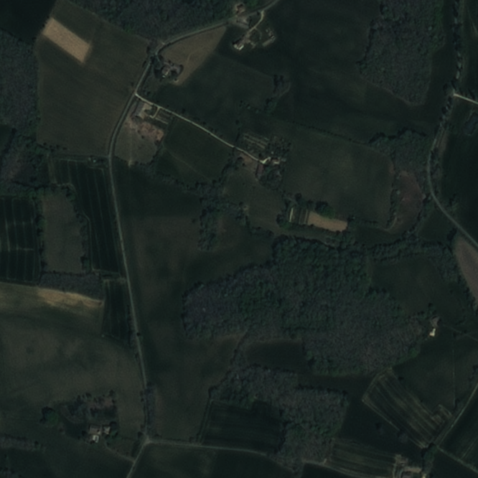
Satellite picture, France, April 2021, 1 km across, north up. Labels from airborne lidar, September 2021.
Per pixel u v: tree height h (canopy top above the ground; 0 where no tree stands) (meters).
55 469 0
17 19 0
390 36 22
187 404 0
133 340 18
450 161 0
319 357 22
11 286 0
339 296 25
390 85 19
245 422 0
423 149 22
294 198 9
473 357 0
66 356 0
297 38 0
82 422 0
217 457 0
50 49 0
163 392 0
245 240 0
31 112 19
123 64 0
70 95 0
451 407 0
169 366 0
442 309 0
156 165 8
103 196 0
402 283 0
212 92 0
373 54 21
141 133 8
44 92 0
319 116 0
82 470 0
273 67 0
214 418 0
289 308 21
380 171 0
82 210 0
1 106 21
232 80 0
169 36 15
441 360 0
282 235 0
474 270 0
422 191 7
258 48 0
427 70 24
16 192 17
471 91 0
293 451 16
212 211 19
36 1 0
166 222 0
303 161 0
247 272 19
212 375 0
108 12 13
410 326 16
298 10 0
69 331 0
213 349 0
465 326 0
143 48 0
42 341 0
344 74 0
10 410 0
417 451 0
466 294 7
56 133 0
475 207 0
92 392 0
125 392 0
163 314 0
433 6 17
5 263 0
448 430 0
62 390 0
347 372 20
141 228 0
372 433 0
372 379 0
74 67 0
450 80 0
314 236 0
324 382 0
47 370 0
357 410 0
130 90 0
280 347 0
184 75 0
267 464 0
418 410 0
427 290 0
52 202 0
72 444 0
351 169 0
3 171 18
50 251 0
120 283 0
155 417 13
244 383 19
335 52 0
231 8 20
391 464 0
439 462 0
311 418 19
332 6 0
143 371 0
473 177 0
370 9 0
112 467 0
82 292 14
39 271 0
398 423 0
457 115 0
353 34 0
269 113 6
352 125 0
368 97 0
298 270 23
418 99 19
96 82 0
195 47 0
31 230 0
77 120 0
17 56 20
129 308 7
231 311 16
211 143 0
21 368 0
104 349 0
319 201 0
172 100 0
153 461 0
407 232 9
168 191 0
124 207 0
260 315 21
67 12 0
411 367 0
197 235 0
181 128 0
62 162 0
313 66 0
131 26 18
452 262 20
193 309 15
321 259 25
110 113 0
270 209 0
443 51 0
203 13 20
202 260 0
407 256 13
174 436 0
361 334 21
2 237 0
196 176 0
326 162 0
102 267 0
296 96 0
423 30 24
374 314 21
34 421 0
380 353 21
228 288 16
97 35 0
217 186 12
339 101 0
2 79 17
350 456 0
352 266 26
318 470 0
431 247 20
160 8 19
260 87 0
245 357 11
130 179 0
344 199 0
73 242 0
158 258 0
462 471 0
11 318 0
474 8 0
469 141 0
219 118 0
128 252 0
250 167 0
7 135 0
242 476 0
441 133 18
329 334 18
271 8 0
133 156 0
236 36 0
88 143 0
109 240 0
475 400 0
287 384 19
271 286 21
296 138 0
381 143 19
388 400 0
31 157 7
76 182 0
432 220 0
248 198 0
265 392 23
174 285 0
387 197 0
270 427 0
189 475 0
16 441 17
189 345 0
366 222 9
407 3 19
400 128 0
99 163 10
